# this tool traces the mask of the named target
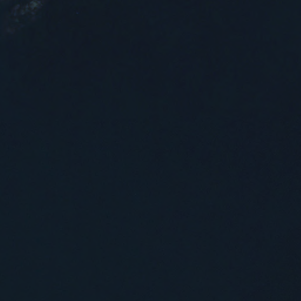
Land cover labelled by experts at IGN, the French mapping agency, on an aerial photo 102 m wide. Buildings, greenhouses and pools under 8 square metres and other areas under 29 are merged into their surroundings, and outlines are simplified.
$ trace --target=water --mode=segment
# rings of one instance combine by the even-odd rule
[[[0,301],[301,301],[301,0],[0,0]]]

